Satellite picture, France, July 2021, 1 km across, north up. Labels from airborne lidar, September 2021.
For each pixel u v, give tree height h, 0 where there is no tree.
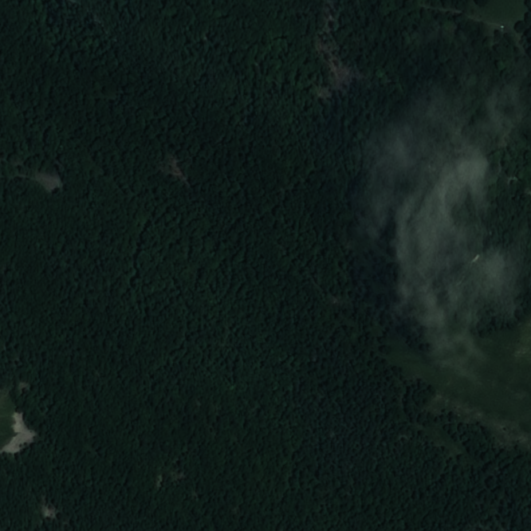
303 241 17
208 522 15
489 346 0
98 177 13
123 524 17
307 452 15
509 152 10
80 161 16
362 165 26
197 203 22
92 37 25
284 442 20
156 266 22
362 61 23
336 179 29
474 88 14
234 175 22
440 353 0
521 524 22
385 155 30
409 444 15
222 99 22
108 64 27
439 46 13
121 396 22
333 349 18
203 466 11
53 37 29
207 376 23
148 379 16
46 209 21
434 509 12
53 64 26
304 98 29
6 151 8
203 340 23
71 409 16
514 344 0
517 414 0
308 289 19
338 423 20
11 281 20
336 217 18
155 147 24
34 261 22
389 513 16
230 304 20
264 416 15
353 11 10
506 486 20
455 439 20
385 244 18
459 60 11
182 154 22
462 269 9
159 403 13
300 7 27
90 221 21
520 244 19
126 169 18
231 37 34
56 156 19
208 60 36
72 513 20
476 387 0
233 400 12
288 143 25
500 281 22
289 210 20
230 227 7
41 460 22
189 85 24
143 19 20
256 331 22
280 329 16
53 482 20
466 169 10
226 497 7
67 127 17
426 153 13
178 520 17
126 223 22
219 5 30
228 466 19
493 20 0
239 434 16
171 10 31
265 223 22
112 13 19
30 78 13
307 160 17
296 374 17
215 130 22
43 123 20
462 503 20
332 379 10
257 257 22
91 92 12
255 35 32
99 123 17
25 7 32
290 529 16
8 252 24
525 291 22
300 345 23
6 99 18
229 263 21
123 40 11
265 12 26
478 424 10
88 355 14
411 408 16
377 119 32
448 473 13
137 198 19
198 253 19
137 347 19
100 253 27
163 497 21
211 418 22
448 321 0
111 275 24
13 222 23
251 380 20
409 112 15
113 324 17
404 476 18
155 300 26
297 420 11
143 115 22
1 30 17
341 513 14
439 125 9
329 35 27
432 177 36
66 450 21
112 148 13
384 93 19
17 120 20
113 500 19
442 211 30
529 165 25
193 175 12
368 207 21
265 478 9
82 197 11
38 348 13
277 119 24
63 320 24
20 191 21
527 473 21
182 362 23
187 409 21
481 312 17
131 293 25
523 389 0
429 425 14
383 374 7
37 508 13
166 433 15
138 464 14
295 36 31
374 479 16
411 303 21
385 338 14
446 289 21
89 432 10
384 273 21
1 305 24
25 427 0
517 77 24
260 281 22
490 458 17
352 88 14
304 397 13
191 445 20
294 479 15
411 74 11
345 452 22
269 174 23
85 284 23
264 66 26
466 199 23
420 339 12
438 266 21
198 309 23
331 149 29
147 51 17
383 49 12
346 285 15
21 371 25
